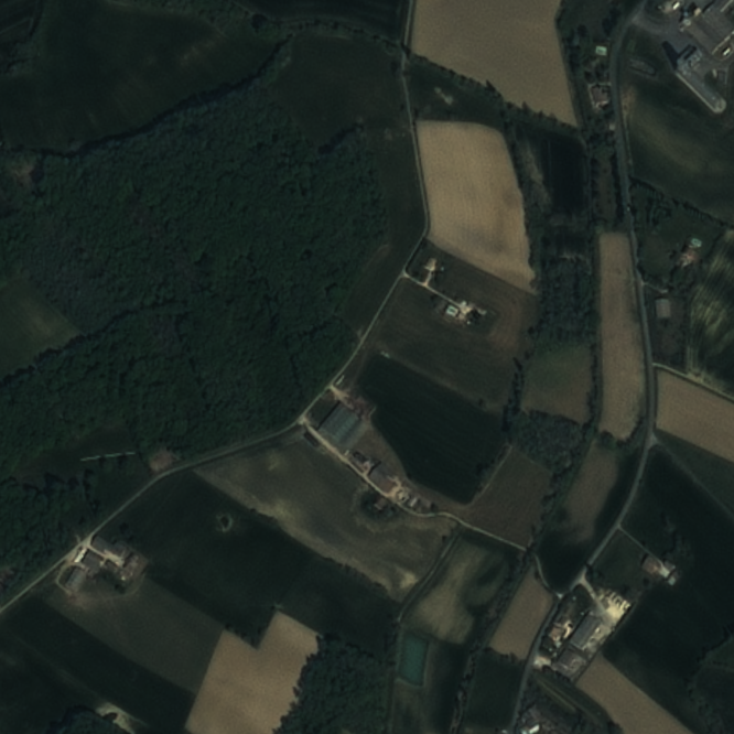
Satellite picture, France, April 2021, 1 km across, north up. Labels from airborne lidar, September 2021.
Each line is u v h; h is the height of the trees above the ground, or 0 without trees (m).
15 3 0
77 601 0
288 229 27
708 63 0
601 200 10
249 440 15
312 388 19
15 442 25
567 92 0
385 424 0
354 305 0
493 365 0
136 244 20
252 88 20
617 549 0
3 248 22
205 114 32
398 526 0
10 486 23
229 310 14
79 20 0
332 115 0
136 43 0
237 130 26
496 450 0
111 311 9
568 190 0
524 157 9
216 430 12
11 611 0
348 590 0
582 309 26
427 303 0
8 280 18
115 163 27
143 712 0
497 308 0
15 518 29
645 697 0
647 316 0
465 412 0
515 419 21
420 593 0
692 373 0
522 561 6
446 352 0
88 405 21
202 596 0
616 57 0
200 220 22
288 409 7
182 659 0
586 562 0
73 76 0
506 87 0
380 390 0
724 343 0
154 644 0
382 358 0
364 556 0
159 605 0
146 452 19
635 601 10
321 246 25
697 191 0
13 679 0
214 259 21
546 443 19
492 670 0
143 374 26
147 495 0
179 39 0
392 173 0
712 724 17
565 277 17
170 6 18
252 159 26
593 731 23
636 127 0
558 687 0
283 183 26
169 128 25
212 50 0
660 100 0
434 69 10
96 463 0
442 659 0
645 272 8
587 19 0
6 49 0
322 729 18
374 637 0
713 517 0
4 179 25
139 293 18
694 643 0
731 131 0
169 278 24
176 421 24
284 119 22
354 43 0
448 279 0
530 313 0
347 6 0
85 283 7
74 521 0
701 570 0
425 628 0
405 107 9
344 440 0
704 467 0
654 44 0
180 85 0
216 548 0
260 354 9
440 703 0
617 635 0
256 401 23
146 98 0
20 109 0
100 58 0
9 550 24
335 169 25
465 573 0
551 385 0
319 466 0
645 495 0
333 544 0
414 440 0
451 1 0
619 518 0
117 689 0
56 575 0
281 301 27
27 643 0
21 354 0
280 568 0
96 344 20
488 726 0
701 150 0
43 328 0
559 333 7
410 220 0
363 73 0
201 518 0
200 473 0
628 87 0
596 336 16
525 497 0
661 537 0
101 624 0
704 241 0
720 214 0
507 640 0
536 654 0
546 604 0
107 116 0
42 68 0
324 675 25
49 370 20
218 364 30
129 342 20
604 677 0
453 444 0
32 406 24
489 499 0
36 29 9
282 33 13
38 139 0
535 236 18
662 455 0
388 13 0
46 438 23
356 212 24
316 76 0
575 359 0
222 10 14
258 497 0
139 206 12
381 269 0
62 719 0
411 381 0
